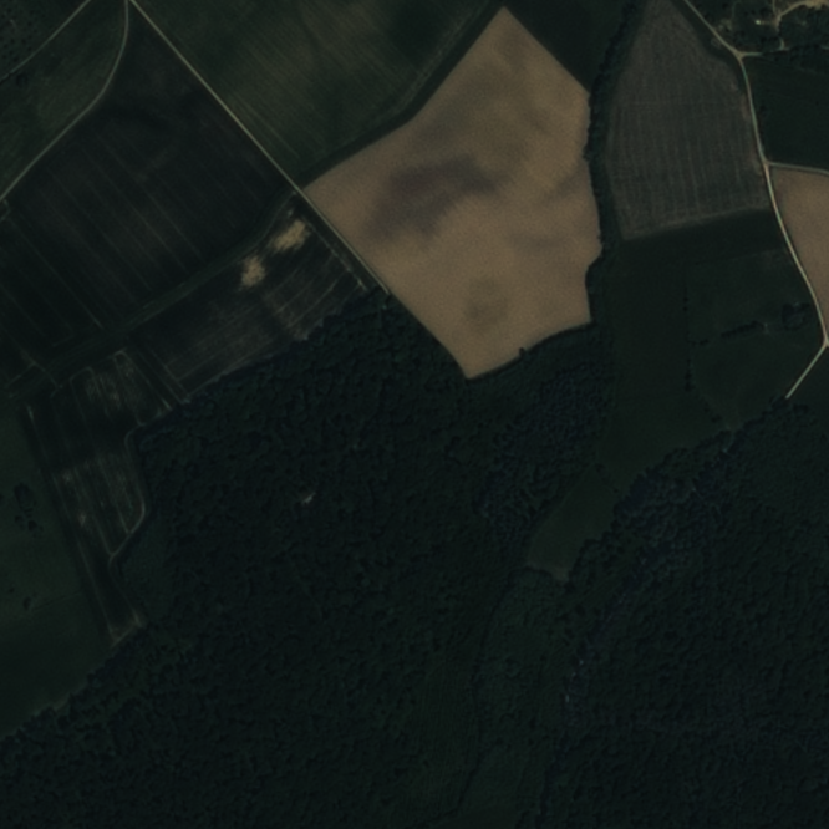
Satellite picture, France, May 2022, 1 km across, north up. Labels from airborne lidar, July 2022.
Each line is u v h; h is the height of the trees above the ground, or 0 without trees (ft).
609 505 0
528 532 65
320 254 0
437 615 70
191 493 92
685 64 0
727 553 76
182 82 0
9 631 0
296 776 76
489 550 40
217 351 0
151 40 0
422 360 87
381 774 81
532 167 0
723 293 0
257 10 0
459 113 0
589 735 60
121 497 0
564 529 0
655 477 46
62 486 0
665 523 97
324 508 70
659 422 0
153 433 55
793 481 62
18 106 0
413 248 0
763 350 0
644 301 0
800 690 78
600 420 49
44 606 0
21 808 74
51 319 0
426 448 81
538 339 0
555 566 0
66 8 0
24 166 0
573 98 0
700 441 0
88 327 0
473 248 0
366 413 73
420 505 83
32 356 0
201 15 0
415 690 71
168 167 0
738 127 0
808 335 0
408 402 79
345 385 83
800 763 81
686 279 0
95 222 0
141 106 0
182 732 83
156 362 0
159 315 0
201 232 0
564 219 0
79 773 89
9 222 0
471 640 33
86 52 0
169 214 0
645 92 0
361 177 0
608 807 70
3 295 0
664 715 55
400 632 69
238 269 0
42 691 0
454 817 34
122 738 85
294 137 0
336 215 0
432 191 0
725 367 0
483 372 0
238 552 80
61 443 0
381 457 75
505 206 0
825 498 60
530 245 0
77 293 0
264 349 0
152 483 64
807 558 77
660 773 67
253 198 0
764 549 65
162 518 66
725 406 0
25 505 53
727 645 74
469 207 0
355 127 0
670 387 0
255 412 76
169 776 80
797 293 0
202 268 0
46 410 0
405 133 0
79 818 75
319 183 0
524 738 37
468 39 0
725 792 66
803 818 67
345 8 0
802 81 0
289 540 63
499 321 0
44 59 0
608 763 76
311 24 0
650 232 0
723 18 0
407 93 0
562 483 52
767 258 0
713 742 42
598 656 78
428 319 0
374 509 91
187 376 0
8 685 0
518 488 53
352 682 91
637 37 0
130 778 61
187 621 75
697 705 65
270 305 0
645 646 81
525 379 59
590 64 0
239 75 0
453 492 66
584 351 50
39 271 0
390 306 35
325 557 81
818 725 63
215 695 87
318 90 0
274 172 0
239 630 78
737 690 61
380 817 67
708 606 73
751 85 0
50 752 78
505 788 48
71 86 0
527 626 67
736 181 0
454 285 0
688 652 70
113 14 0
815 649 48
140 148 0
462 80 0
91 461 0
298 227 0
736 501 71
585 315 0
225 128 0
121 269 0
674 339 0
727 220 0
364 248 0
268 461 91
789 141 0
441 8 0
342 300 0
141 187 0
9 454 0
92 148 0
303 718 79
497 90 0
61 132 0
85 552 0
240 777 89
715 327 0
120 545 0
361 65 0
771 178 0
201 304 0
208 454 85
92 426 0
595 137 49
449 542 68
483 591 31
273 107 0
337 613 80
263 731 90
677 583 71
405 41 0
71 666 0
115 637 0
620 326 0
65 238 0
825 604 80
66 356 0
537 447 64
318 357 76
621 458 0
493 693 78
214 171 0
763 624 82
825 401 0
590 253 0
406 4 0
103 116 0
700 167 0
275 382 78
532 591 71
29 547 0
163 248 0
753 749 54
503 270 0
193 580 79
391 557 80
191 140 0
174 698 77
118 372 0
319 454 75
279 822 83
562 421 65
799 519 47
